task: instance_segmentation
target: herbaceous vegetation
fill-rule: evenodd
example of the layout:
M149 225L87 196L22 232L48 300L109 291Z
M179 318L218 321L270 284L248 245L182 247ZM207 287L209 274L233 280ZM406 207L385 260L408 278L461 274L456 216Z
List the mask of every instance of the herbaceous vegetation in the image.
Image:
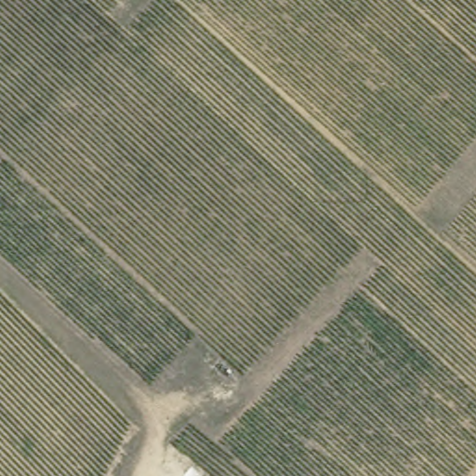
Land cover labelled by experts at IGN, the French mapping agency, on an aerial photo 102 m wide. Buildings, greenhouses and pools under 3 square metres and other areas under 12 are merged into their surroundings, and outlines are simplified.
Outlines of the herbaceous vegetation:
M84 370L95 377L95 381L100 383L100 387L106 390L115 402L121 403L121 407L132 416L132 420L138 418L141 413L134 398L130 396L130 389L143 387L145 383L136 370L132 370L123 359L119 359L97 335L86 333L69 314L59 309L54 303L54 297L46 290L35 288L28 277L24 277L0 253L0 286L17 297L20 305L32 316L33 322L39 325L59 348L69 351L74 361L82 364Z
M260 359L253 363L253 366L245 368L244 374L238 376L216 351L210 346L205 348L192 337L186 348L175 353L175 359L165 364L164 370L149 385L149 390L154 396L164 396L171 392L184 392L188 396L195 396L201 390L214 387L232 392L231 398L227 400L214 398L212 402L201 403L193 409L184 409L165 433L164 443L171 446L173 439L177 439L190 424L203 431L214 443L221 441L223 435L229 433L242 420L247 411L251 411L262 400L262 396L268 392L271 385L283 376L284 370L296 361L297 355L311 346L316 331L324 329L329 320L337 318L344 303L361 288L361 284L374 277L377 268L381 266L381 258L372 255L368 249L359 249L351 258L350 264L338 268L335 283L320 286L320 292L312 297L311 303L297 312L299 316L290 320L288 327L284 327L275 337L268 353L260 355Z

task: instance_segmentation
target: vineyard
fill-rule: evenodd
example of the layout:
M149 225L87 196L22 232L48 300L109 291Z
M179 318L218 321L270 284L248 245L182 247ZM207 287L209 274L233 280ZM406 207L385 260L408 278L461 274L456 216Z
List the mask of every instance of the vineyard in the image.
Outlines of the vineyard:
M106 390L100 387L100 383L95 381L95 377L84 370L82 364L74 361L69 351L59 348L39 325L33 322L32 316L20 305L17 297L0 286L0 476L132 476L147 439L147 424L141 413L138 418L132 420L132 416L121 407L121 403L115 402Z
M54 297L54 303L59 309L69 314L86 333L97 335L119 359L123 359L132 370L136 370L145 383L149 385L164 370L165 364L175 359L175 353L186 348L192 337L205 348L210 346L216 351L238 376L244 374L245 368L253 366L253 363L260 359L260 355L268 353L275 337L284 327L288 327L290 320L299 316L297 312L311 303L312 297L320 292L320 286L335 283L338 268L350 264L351 258L359 249L368 249L372 255L381 258L381 266L377 268L374 277L361 284L361 288L344 303L337 318L329 320L324 329L316 331L311 346L297 355L296 361L284 370L283 376L271 385L268 392L262 396L262 400L251 411L247 411L242 420L229 433L223 435L221 441L214 443L203 431L190 424L177 439L173 439L171 446L177 448L180 454L192 459L193 467L201 470L197 476L476 476L476 0L0 0L0 253L24 277L28 277L35 288L46 290Z

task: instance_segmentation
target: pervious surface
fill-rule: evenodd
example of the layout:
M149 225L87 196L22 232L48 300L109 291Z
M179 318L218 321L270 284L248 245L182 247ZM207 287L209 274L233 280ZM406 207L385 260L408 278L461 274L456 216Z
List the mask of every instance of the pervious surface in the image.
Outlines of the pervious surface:
M134 398L141 413L147 424L147 439L132 476L197 476L201 470L193 467L192 459L180 454L177 448L171 446L164 443L165 433L184 409L193 409L201 403L212 402L214 398L227 400L231 398L232 392L214 387L201 390L195 396L188 396L184 392L171 392L164 396L154 396L149 390L149 385L145 383L143 387L130 389L130 396Z

